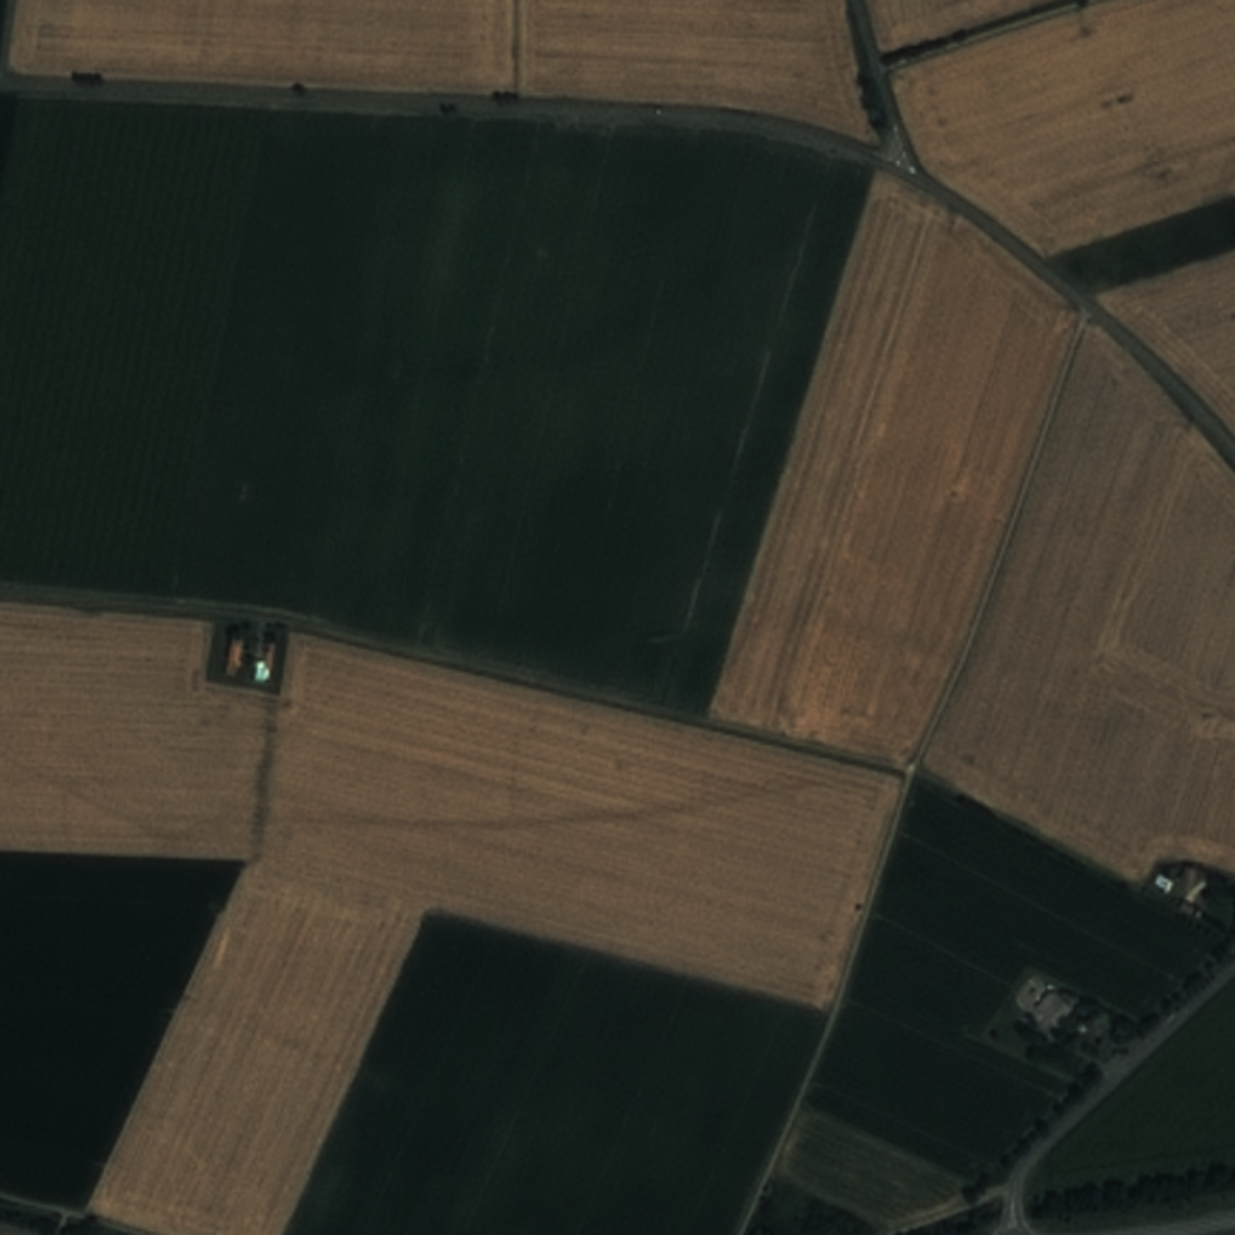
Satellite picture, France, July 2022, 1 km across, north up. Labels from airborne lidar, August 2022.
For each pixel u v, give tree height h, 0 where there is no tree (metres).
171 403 0
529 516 0
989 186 0
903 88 0
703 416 0
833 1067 0
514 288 0
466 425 0
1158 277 0
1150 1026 13
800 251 0
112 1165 0
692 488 0
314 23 0
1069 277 0
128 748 0
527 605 0
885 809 0
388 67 0
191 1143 0
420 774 0
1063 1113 11
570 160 0
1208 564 0
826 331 0
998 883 0
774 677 0
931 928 0
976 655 0
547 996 0
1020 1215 0
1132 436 0
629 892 0
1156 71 0
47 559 0
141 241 0
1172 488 0
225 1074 0
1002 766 0
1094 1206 14
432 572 0
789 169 0
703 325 0
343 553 0
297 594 0
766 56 0
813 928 0
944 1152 0
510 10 0
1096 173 0
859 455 0
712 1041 0
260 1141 0
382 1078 0
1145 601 0
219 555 0
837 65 0
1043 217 0
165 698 0
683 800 0
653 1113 0
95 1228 15
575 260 0
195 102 0
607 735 0
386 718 0
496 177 0
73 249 0
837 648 0
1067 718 0
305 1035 0
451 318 0
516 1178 0
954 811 0
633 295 0
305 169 0
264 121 0
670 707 0
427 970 0
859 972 0
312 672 0
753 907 0
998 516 0
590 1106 0
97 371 0
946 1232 16
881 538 0
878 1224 0
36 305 0
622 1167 0
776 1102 0
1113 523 0
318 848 0
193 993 0
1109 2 0
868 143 0
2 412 0
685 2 0
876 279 0
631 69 0
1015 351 0
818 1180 0
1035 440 0
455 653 0
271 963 0
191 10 0
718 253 0
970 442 0
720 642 0
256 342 0
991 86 0
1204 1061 0
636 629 0
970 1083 0
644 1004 0
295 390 0
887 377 0
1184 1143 0
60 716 0
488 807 0
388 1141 0
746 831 0
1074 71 0
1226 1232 0
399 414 0
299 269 0
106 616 0
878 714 0
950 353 0
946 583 0
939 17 0
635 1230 0
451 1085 0
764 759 0
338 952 0
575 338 0
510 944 0
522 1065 0
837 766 0
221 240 0
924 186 0
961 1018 0
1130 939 0
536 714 0
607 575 0
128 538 0
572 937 0
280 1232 0
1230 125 0
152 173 0
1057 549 0
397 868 0
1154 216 0
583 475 0
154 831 0
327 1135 0
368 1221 0
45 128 0
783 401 0
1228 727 0
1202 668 0
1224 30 0
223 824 0
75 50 0
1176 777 0
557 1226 0
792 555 0
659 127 0
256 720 0
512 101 7
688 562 0
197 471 0
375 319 0
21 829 0
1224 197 0
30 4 0
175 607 0
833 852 0
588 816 0
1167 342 0
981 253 0
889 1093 0
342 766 0
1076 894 0
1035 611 0
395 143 0
